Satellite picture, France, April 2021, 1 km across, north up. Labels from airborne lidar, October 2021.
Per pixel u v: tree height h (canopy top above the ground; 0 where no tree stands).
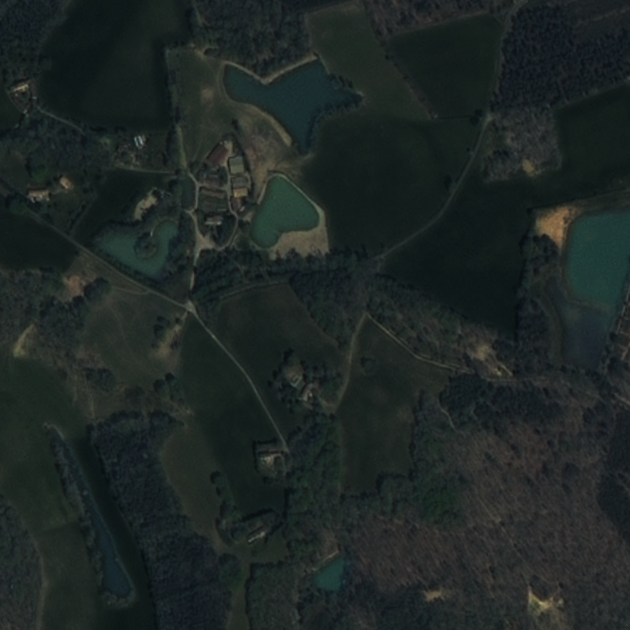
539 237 0
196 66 0
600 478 15
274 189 0
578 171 0
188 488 0
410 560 20
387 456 0
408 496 21
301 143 0
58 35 0
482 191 0
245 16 20
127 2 0
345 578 12
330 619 18
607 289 0
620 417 10
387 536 18
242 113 0
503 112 18
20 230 0
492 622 22
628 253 0
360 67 0
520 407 20
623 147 0
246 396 0
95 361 0
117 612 0
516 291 13
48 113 12
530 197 0
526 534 14
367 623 19
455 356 14
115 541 0
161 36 0
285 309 0
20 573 23
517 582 23
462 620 21
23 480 0
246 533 13
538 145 17
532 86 18
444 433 23
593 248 0
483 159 0
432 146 0
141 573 0
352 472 0
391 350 0
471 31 0
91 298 23
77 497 25
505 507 22
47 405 0
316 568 17
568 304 0
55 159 23
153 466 22
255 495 0
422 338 19
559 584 11
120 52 0
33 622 10
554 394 19
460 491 20
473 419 18
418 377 0
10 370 0
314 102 0
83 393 0
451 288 0
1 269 0
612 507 15
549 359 18
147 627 0
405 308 22
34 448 0
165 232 0
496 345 15
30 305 28
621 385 19
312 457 19
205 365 0
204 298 16
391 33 13
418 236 0
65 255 0
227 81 0
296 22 9
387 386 0
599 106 0
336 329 20
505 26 0
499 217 0
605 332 0
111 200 0
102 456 15
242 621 0
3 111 0
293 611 18
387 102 0
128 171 0
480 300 0
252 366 0
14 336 21
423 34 0
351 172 0
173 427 26
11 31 17
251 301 0
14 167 0
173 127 7
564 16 19
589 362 0
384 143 0
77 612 0
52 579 0
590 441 19
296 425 0
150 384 0
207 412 0
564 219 0
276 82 0
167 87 13
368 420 0
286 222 0
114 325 0
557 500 16
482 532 17
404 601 11
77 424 0
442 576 13
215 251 8
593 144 0
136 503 19
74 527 0
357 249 0
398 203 0
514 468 8
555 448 15
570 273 0
